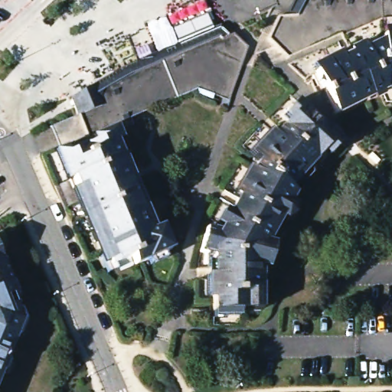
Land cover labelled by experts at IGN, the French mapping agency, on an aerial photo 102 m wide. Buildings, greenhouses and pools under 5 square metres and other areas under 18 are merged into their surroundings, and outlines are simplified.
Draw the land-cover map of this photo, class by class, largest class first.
<instances>
[{"label":"impervious surface","instance_id":"1","mask_svg":"<svg viewBox=\"0 0 392 392\"><path fill-rule=\"evenodd\" d=\"M55 0H0V51L9 49L14 55L11 61L14 70L5 80H0V216L21 213L24 219L28 220L26 228L35 242L31 250L32 260L34 263L38 260L44 263L47 260L44 271L52 285L57 288L51 309H57L60 314L67 340L72 345L67 357L72 364V371L78 374L87 367L93 392H153L147 389L133 372V358L136 355H147L153 360L165 361L173 369L182 392H193V387L188 386L175 358L168 355L171 335L176 329H191L185 314H196L199 312L198 309H187L179 317L170 318L162 323L158 335L149 345L133 341L130 345H124L119 341L116 329L110 328V317L104 314L107 308L103 306V299L96 296L100 289L90 286L92 279L84 262L86 245L78 236H73L70 228V217L78 214L83 217L84 228L89 233L93 247L96 250H103V243L93 227L78 184L73 181L63 153L60 152L61 147H70L69 141L87 135L83 116L73 115L72 118L57 122L40 135L32 136L31 133V130L41 122L72 109L78 90H89L90 84L104 80L124 64L147 57L150 54V43H155L158 49H164L176 43H185L213 31V24H222L248 44L247 55L243 58L236 84L231 92L230 103L225 106L227 112L214 136L205 178L191 188V191L198 190L199 193L205 194L220 193V207L216 217L220 219L230 205H236L240 201L234 193L237 191V185L247 175V167H240L234 182H230L225 190L214 184L216 176L217 165L224 156V145L227 144L228 133L236 116L234 104L247 107L254 118L265 121L262 130L257 133L256 141H248L251 149L256 147L274 127L273 119L265 116L262 110L251 103L250 98L245 96V84L254 63L257 58L266 61L279 77L292 87V96L294 100L299 101L302 112L311 118L315 126L322 127L326 135L340 141L338 149L335 150L345 159L351 155H360L364 159L372 165L380 161L375 153L364 152L357 145L360 139L378 129L377 119L367 112L364 103L349 110H340L335 107L334 101L325 89L305 96L294 81H289L282 67L277 66V63L288 58V54L273 40L274 28L277 21L282 18L283 12L294 14L289 6L294 0H93L95 6L89 11L77 15H61L54 5ZM257 14L266 17L274 15L276 18L268 28L262 29L259 40L256 41L247 31L240 29L237 23L254 18ZM54 100L58 101V106L54 110H49L38 118L29 119V107ZM54 147L58 150L52 158L61 176V184L57 185L52 184L46 164L41 159L43 152ZM377 100L380 101L381 104H384V106H392V89H389L387 90V92L383 93H369V95L366 96V101ZM193 256V247L190 245L176 254L178 268L171 280L173 285L179 286L187 280L205 276L211 273V268H199L190 266ZM341 297L348 302L346 305L349 309V318L357 317L363 323V334H354L351 332L352 323H346L345 334L320 337L312 335L314 323L309 320H297V326H292L291 335L283 334L276 338L283 349L282 361L277 364L276 386H271L268 378H263L260 383L265 387L248 389L233 392H392V260L380 262L367 269V273Z\"/></svg>","mask_w":392,"mask_h":392},{"label":"building","instance_id":"2","mask_svg":"<svg viewBox=\"0 0 392 392\"><path fill-rule=\"evenodd\" d=\"M294 14L283 12L282 18L277 21L274 28L273 40L288 54V58L277 63V66L282 67L289 81H294L305 96L325 89L334 101L335 107L340 110H349L364 103L366 101V96L369 95V93H383L387 92V90L389 89H392V0H294L289 6ZM248 44L222 24H213V31L185 43H176L164 49H158L155 43H150V54L147 57L124 64L104 80L90 84L89 90H78L72 109L73 115L83 116L87 135L69 141L70 147H61L60 152L63 153L73 181L78 184L93 227L103 243V250L100 263L107 269L124 271L142 262H158L170 254L171 248L178 245L168 220L159 217L155 204L147 199L142 191L144 184L138 175V162L126 141L127 127L122 119L133 118L145 112L155 101L176 98L191 92H199L213 98L216 104L225 106L230 103L231 92L236 84L243 58L247 55ZM283 121L282 124L274 127L256 147L251 149L253 161L247 167V175L237 185V191L234 193L240 201L236 205H230L220 219L216 217H214L202 236V263L199 268H211V273L205 276L207 279L204 280V291L213 297L214 314L219 317L220 322H237L243 312L250 315L253 320L269 305V266L276 260L277 248L280 247V228L285 224L286 217L292 214L289 194H300V187L296 182L302 179L305 173L315 175V164L322 159L323 153L326 150H335L338 149L340 141L326 135L322 127L315 126L311 118L302 112L299 101L294 100L292 96L283 109L277 112ZM5 245L0 234V387L6 369L14 364L9 355L12 354L11 345H14L26 329L29 311L26 305L20 302V283L5 254Z\"/></svg>","mask_w":392,"mask_h":392},{"label":"herbaceous vegetation","instance_id":"3","mask_svg":"<svg viewBox=\"0 0 392 392\"><path fill-rule=\"evenodd\" d=\"M14 55L9 49L0 51V80H5L14 70L11 61ZM245 96L250 98L251 103L262 110L265 116L273 119L274 127L282 124L283 121L277 112L283 109L292 96V87L279 77L266 61L257 58L254 63L245 84ZM227 112L225 106L216 104H207L191 98L182 101L178 107H170L167 112L158 113L156 116L145 112L133 118L122 119L127 127L126 141L138 162V175L144 184L142 191L147 199L155 204L159 217L168 220L178 245L171 248L170 254L158 262H142L149 276L155 273L158 279L171 280L178 268L176 254L190 245L193 247V256L190 266L199 268L202 263V236L214 217L207 214L205 194L199 193L198 190L191 191V188L205 178L214 136ZM168 155L181 156L184 159L181 168H184L185 175L179 178V191L182 198L187 201L190 210L188 214L173 216V198L170 196L168 175L164 171V159ZM236 116L228 133L227 144L224 145V156L217 165L216 176L222 173L230 162L240 167H247L253 161L251 149L248 141H256L257 133L262 130L265 121L254 118L247 107L234 104ZM345 159L335 150H326L323 153L322 159L315 164V175L305 173L302 179L296 182L300 187V194H289L292 214L286 217L285 224L280 228V247L277 248L276 260L269 266V305L279 303V308L283 309V334L291 335L292 326H297V320L289 317V306L303 302L311 303L318 296L325 299L331 289L340 297H341L367 273V269L380 262L374 257L358 263L357 271L351 276H335L334 273H329L323 277L320 271L299 257L297 245L303 231H312L317 236H328L334 228L335 217L346 214L343 208V193L338 196L332 194L335 185L338 184V167ZM367 175L380 182L384 198L392 201V162L380 161L372 165L364 159ZM28 220L24 219L15 227L0 230V234L5 245V254L20 283V302L26 305L29 311L26 329L14 345H11L12 354L9 355L14 364L6 369L0 387V392H54L49 380L54 369L46 357L47 348L51 345L55 332L54 323L49 320L51 309L57 288L52 285L44 271L47 260L44 263L38 260L34 263L32 260L31 250L35 242L26 228ZM346 323H352L351 332L354 334H363V323L357 317L349 318L348 322H335L322 314L314 323L312 335L320 337L345 334ZM61 392H93L87 367L78 374L72 371L69 375L61 372ZM220 384L202 387L199 392H233L248 389L236 378L224 375L219 377Z\"/></svg>","mask_w":392,"mask_h":392},{"label":"brushwood","instance_id":"4","mask_svg":"<svg viewBox=\"0 0 392 392\"><path fill-rule=\"evenodd\" d=\"M54 5L61 15H77L89 11L95 6L93 0H55ZM276 18L274 15L266 17L257 14L254 18L237 23L240 29L247 31L256 41L259 40L262 29L268 28ZM191 98L207 104H216L213 98L199 92H191L176 98L155 101L145 112L156 116L158 113L167 112L170 107H178L182 101ZM58 106V101L54 100L29 107V119L38 118L49 110H54ZM367 112L377 119L378 129L360 139L357 145L364 152L375 153L380 161L392 162V106H384V104H381L380 101L377 100L366 101L364 103ZM73 115L72 109L41 122L31 130V133L32 136L40 135L57 122L72 118ZM58 150L54 147L43 152L41 159L46 164L52 184L57 185L61 184V176L52 158ZM240 167L230 162L222 173L216 176L214 184L225 190L230 182H234ZM207 214L214 217H216L220 207V193L205 194ZM24 219L21 213L0 216V230L15 227ZM70 228L73 236H78L86 245L84 262L92 279L90 286L100 289L96 296L103 299V306L107 308L104 314L110 317V328L116 329L119 341L124 345H130L133 341L149 345L158 335L162 323L170 318L179 317L187 309H198L199 312L196 314H185L191 329H176L171 335L168 355L175 358L181 355L184 341H198L202 329H220L225 325L228 331L237 328L262 331L276 329V338L283 334V309L279 308V303L269 305L253 320L250 315L243 312L237 322H220L219 317L214 314L213 297L204 291V280L207 279L205 276L187 280L179 286L173 285L171 280L158 279L155 273L149 276L142 262L124 271L107 269L100 263L103 250H96L93 247L89 233L84 228L83 217L78 214L70 217ZM340 297L331 289L325 299L318 296L311 303L303 302L289 306V317L297 320H309L314 323L322 314ZM49 320L54 323L55 332L51 345L47 348L46 357L54 369L49 380L54 392H61V372L69 375L72 371V364L67 357L72 345L67 340L60 314L57 309H51ZM133 372L147 389L153 392H182L173 369L165 361L153 360L147 355H136L133 358Z\"/></svg>","mask_w":392,"mask_h":392},{"label":"deciduous trees","instance_id":"5","mask_svg":"<svg viewBox=\"0 0 392 392\"><path fill-rule=\"evenodd\" d=\"M184 159L181 156L168 155L164 159V171L168 175L170 196L173 198V216L188 214L190 210L187 201L182 198L179 191V178L185 175L184 168H181ZM364 159L360 155H351L345 159L338 167V184L335 185L332 194L338 196L343 193V208L346 214L335 217L334 228L328 236H317L312 231H303L297 245L299 257L320 271L323 277L329 273H334L335 276H351L357 271L358 263L374 257L380 262L392 260V201L384 198L380 182L367 175ZM348 302L341 297H340L322 314L335 322H348L349 318V309L346 305ZM283 349L276 338V329L262 331L237 328L228 331L225 325L220 329H202L198 341H184L181 355L175 358L188 386L193 387V392H199L202 387L220 384L219 377L224 375L236 378L248 389L265 387L260 383L263 378H268L271 386H276L277 364L282 361Z\"/></svg>","mask_w":392,"mask_h":392}]
</instances>
